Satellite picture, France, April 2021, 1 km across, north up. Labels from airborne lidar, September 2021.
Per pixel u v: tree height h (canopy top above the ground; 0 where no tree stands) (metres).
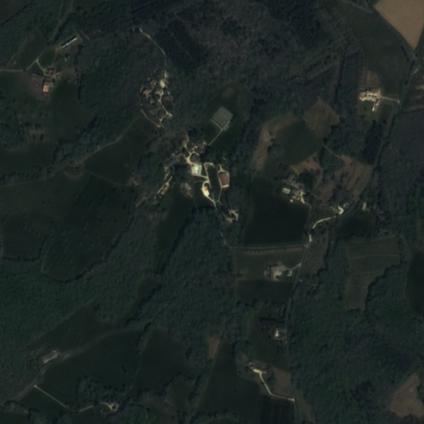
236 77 23
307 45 23
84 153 13
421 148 19
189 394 0
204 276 19
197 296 16
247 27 9
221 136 0
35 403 0
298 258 0
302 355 18
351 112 15
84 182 0
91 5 0
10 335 17
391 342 20
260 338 0
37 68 0
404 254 11
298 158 0
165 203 0
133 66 12
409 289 0
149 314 17
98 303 17
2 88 0
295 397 0
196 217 19
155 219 13
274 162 0
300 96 22
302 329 19
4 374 15
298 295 13
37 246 0
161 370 0
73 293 20
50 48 14
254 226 0
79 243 8
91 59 16
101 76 12
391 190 20
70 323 7
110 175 0
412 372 11
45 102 8
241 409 0
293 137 0
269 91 24
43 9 19
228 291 18
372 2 15
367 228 0
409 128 16
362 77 9
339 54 6
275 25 12
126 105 12
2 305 16
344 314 19
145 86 15
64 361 0
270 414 0
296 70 0
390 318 17
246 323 21
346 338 21
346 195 18
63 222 0
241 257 0
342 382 25
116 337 0
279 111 23
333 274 21
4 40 16
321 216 0
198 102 21
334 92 0
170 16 6
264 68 18
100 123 16
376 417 23
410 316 18
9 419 0
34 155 0
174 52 19
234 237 15
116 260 21
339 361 17
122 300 19
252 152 16
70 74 0
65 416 16
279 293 0
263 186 0
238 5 15
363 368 20
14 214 0
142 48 16
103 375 0
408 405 0
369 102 0
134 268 24
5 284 15
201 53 14
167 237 0
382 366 21
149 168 22
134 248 20
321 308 23
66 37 14
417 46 0
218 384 0
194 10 15
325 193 0
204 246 21
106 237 0
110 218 0
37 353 8
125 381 0
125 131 14
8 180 13
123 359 0
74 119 0
